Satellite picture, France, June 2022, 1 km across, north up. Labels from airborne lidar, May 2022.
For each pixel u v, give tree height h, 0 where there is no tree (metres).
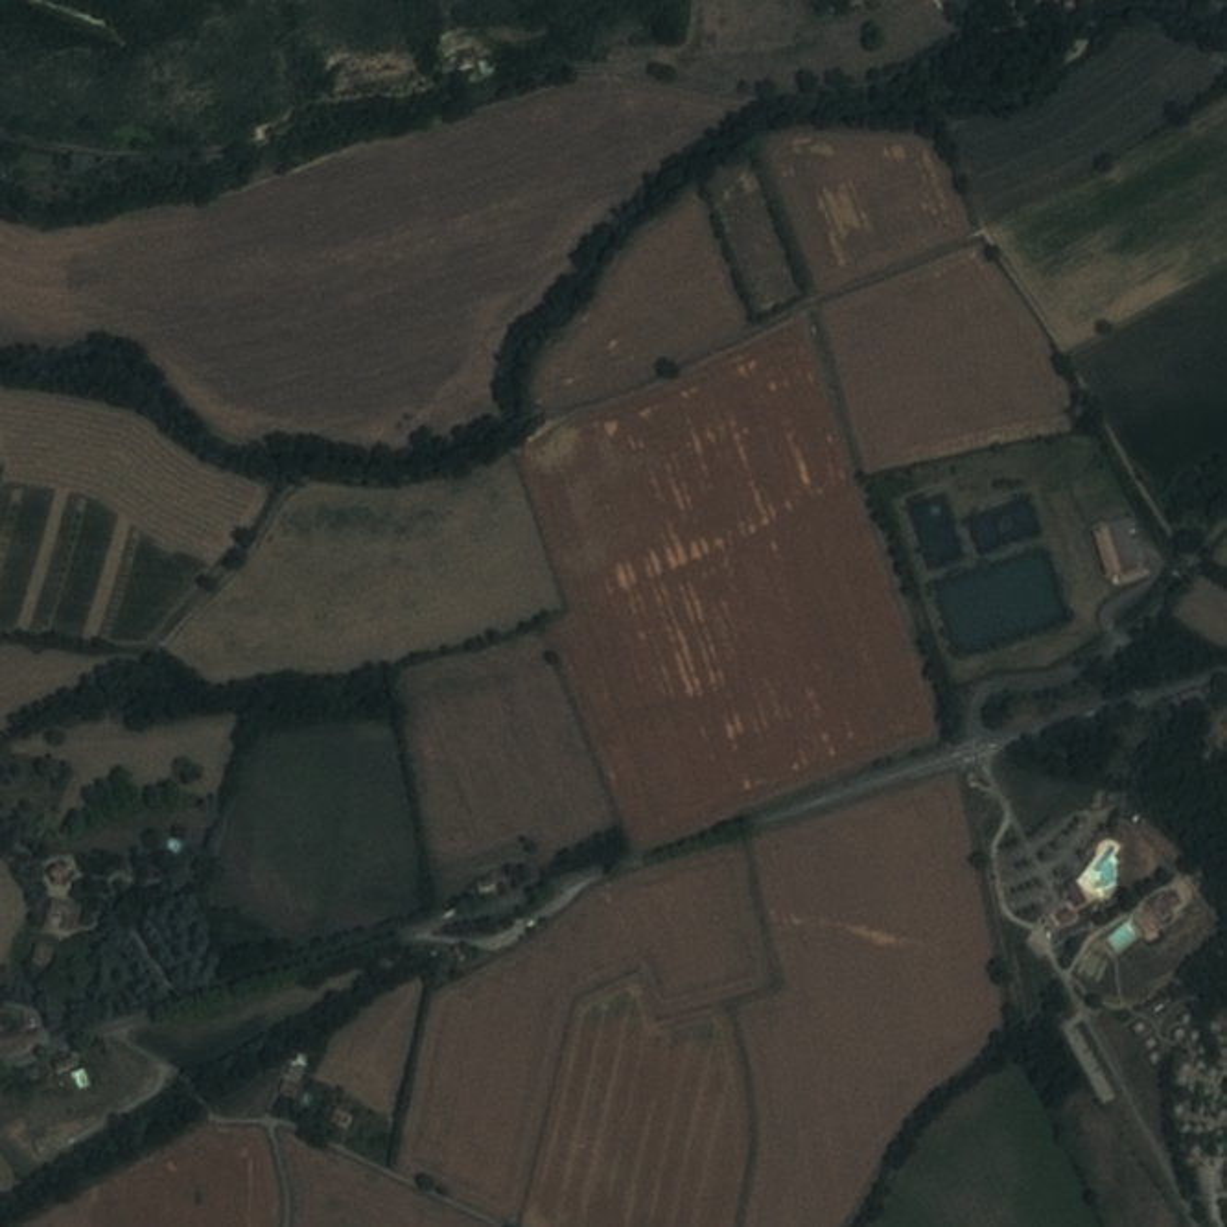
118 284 0
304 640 0
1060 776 13
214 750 0
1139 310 0
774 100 7
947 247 0
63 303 0
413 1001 0
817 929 0
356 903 0
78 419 0
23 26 9
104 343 20
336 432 0
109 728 0
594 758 0
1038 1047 19
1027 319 0
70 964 8
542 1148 0
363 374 0
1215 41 21
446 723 0
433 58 13
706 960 0
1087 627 0
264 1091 0
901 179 0
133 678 20
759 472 0
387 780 0
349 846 0
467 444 15
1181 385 0
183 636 0
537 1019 0
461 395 0
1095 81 0
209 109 7
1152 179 0
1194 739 9
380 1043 0
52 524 0
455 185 0
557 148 0
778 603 0
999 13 29
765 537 0
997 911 0
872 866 0
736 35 0
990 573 0
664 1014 0
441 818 0
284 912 0
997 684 0
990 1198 0
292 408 0
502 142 0
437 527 0
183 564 0
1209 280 0
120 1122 19
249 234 0
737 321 0
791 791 0
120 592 0
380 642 0
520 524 0
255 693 15
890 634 0
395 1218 0
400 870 0
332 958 14
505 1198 0
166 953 28
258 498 0
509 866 9
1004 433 0
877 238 0
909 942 0
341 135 14
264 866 0
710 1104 0
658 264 0
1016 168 0
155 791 17
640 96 0
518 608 0
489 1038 0
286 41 6
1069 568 0
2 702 0
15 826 20
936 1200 0
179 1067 6
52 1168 13
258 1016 0
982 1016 0
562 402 0
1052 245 0
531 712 0
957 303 0
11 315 0
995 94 10
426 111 18
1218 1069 8
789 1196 0
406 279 0
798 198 0
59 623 0
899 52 0
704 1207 0
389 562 0
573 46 10
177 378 0
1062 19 22
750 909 0
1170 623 12
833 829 0
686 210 0
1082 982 0
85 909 6
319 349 0
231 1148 0
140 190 11
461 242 0
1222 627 0
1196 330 0
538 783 0
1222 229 0
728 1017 0
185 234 0
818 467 0
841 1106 0
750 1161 0
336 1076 0
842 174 0
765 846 0
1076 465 0
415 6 7
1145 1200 0
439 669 0
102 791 18
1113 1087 0
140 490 0
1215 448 0
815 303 0
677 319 0
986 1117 0
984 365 0
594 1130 0
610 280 0
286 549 0
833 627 0
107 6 11
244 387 0
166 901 13
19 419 0
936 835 0
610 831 6
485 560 0
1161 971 0
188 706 18
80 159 15
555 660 12
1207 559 8
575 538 0
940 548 0
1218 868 13
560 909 0
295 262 0
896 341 0
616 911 0
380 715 19
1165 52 0
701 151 11
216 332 0
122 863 20
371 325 0
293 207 0
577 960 0
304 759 0
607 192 0
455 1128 0
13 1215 25
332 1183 0
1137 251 0
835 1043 0
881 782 0
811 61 0
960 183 12
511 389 14
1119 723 16
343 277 0
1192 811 15
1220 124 0
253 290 0
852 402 0
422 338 0
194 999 16
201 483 0
